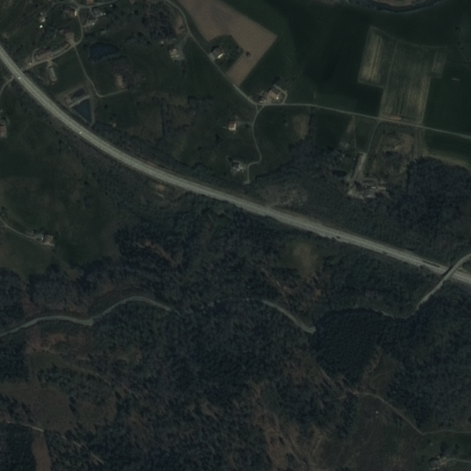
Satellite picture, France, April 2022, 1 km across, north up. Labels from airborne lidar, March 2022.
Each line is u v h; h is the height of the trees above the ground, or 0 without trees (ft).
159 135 0
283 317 89
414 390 70
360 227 39
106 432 47
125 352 38
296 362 119
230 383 88
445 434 0
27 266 0
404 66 0
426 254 36
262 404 52
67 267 0
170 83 0
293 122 0
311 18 0
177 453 77
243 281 88
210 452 72
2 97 0
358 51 0
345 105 0
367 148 0
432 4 0
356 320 64
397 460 0
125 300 0
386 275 40
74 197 0
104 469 0
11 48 37
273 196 0
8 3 0
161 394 117
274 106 0
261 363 103
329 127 0
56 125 0
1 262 0
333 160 67
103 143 0
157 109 0
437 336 42
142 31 0
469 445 0
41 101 0
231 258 52
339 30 0
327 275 58
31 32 0
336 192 43
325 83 0
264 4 0
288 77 0
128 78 18
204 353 88
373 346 66
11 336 20
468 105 0
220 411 61
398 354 86
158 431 117
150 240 30
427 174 86
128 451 73
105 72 0
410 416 20
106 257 0
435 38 0
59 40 0
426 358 20
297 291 103
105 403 46
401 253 0
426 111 0
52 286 100
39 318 0
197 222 33
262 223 33
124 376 45
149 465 85
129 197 41
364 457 0
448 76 0
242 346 63
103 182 34
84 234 0
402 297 56
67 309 76
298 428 79
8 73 29
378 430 0
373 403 0
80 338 0
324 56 0
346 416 0
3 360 66
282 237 40
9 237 0
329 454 0
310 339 32
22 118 0
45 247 0
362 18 0
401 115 0
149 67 0
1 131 0
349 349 58
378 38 0
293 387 115
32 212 0
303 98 0
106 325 27
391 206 54
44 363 0
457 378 76
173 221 31
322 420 116
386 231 34
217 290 83
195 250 81
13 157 0
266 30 0
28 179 0
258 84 0
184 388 83
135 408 88
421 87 0
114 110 0
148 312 58
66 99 0
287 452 0
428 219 80
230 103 0
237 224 38
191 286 60
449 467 0
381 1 0
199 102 60
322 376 0
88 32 0
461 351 68
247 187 24
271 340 107
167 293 95
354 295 82
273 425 65
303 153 73
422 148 0
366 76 0
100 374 56
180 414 73
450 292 29
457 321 31
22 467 28
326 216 20
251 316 72
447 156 0
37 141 0
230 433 53
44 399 0
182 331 74
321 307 46
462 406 62
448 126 0
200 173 44
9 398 0
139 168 0
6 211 29
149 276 94
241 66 0
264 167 0
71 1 0
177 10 0
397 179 0
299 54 0
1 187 0
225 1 0
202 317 87
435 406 78
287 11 0
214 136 0
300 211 20
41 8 0
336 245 52
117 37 0
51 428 0
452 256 47
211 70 0
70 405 0
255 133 0
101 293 100
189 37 0
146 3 20
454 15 0
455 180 94
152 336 55
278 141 0
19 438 26
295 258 0
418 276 35
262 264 39
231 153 0
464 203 95
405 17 0
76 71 0
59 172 0
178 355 83
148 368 101
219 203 40
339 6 0
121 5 0
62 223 0
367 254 48
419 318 32
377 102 0
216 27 0
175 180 0
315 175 57
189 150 0
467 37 0
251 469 75
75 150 32
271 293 41
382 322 58
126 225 0
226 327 82
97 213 0
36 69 0
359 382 51
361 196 0
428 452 0
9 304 106
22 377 51
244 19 0
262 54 0
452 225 82
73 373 30
